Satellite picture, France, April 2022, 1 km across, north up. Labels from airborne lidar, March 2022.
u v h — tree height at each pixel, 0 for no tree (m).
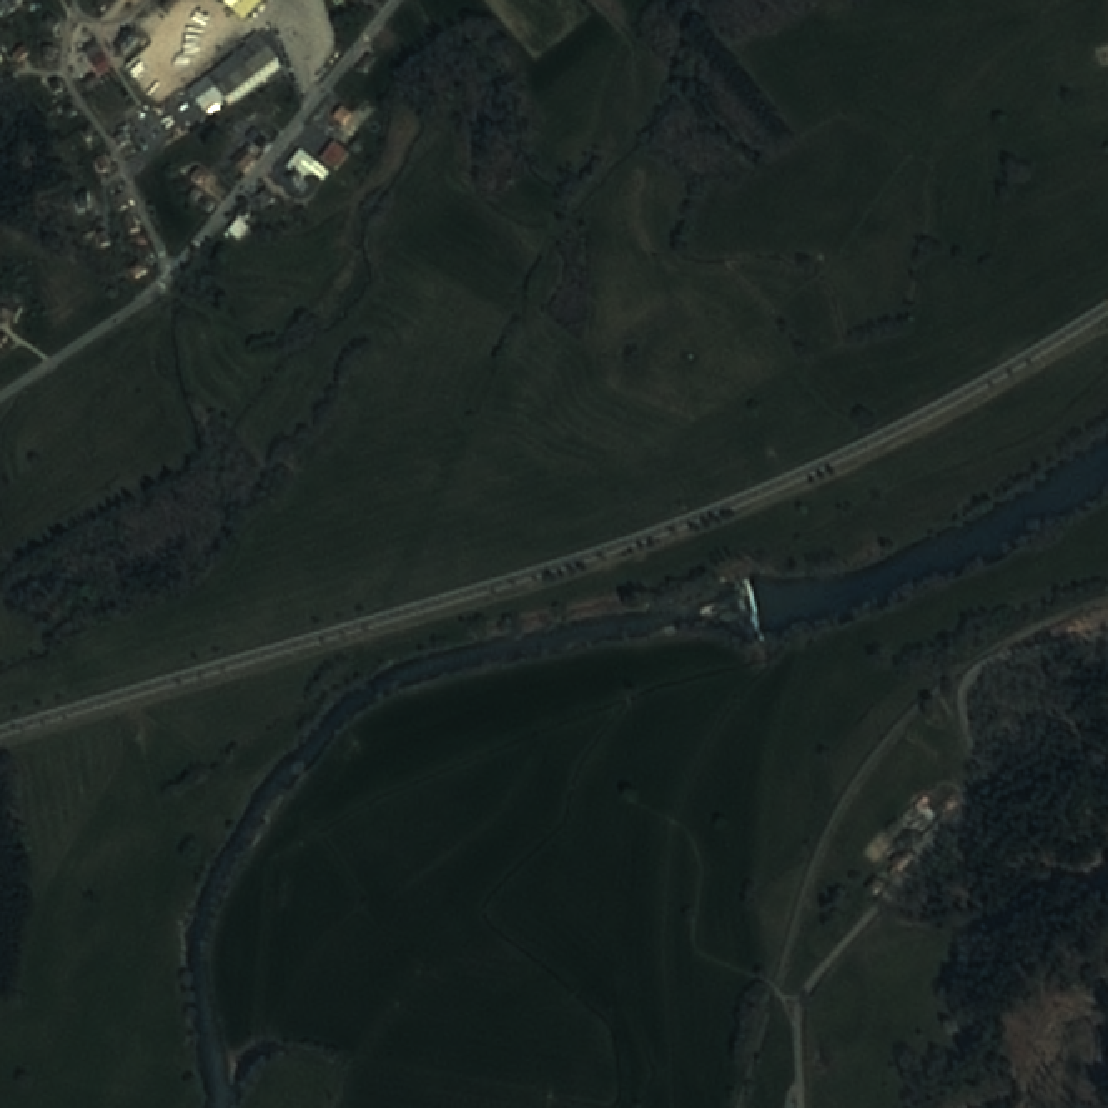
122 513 18
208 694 0
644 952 0
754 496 0
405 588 0
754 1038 19
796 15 23
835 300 0
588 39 0
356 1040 0
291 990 0
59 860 0
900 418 0
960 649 20
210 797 0
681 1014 0
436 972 0
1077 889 24
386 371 0
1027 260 0
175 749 0
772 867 0
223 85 0
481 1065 0
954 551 0
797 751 0
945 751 0
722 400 0
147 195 0
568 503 0
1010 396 0
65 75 0
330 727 0
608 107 0
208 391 0
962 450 0
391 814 0
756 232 0
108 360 0
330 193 0
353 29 14
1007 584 0
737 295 0
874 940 0
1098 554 0
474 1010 0
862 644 0
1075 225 0
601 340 0
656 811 0
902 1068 15
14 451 0
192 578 13
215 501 17
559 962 0
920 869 13
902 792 0
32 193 16
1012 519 0
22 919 17
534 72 0
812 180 0
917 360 0
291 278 0
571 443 0
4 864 17
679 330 0
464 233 0
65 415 0
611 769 0
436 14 0
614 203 0
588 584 0
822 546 0
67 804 0
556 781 0
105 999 0
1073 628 0
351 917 0
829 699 0
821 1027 0
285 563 0
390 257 0
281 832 0
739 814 0
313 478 0
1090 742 6
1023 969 23
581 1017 0
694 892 0
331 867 0
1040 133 0
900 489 0
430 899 0
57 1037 0
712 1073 0
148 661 0
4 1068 0
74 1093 0
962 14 0
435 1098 0
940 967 0
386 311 0
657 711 0
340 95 0
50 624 19
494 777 0
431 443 0
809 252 0
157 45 0
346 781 0
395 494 0
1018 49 0
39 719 0
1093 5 0
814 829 0
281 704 0
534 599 0
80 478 0
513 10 0
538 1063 0
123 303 0
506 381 0
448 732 0
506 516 0
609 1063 0
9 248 0
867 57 0
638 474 0
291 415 0
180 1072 0
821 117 0
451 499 0
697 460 0
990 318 0
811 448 0
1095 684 13
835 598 0
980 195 0
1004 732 15
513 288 0
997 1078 14
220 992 0
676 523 0
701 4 23
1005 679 13
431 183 0
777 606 0
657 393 0
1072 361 0
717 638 18
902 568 0
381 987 0
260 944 0
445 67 27
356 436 0
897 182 0
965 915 21
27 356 0
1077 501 0
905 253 0
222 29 0
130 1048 0
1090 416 0
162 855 0
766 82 0
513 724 0
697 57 19
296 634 0
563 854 0
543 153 0
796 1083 0
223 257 11
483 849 0
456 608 0
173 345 0
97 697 0
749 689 0
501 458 0
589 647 0
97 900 11
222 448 15
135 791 0
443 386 0
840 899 16
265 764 0
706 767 0
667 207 0
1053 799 29
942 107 0
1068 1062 0
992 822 18
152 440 0
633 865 0
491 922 0
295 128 0
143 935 0
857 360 0
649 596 19
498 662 0
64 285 0
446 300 0
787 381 0
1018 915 18
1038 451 0
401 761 0
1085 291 0
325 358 0
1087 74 0
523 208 0
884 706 0
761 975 14
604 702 0
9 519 0
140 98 0
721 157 21
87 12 0
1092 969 8
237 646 0
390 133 0
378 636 0
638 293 0
